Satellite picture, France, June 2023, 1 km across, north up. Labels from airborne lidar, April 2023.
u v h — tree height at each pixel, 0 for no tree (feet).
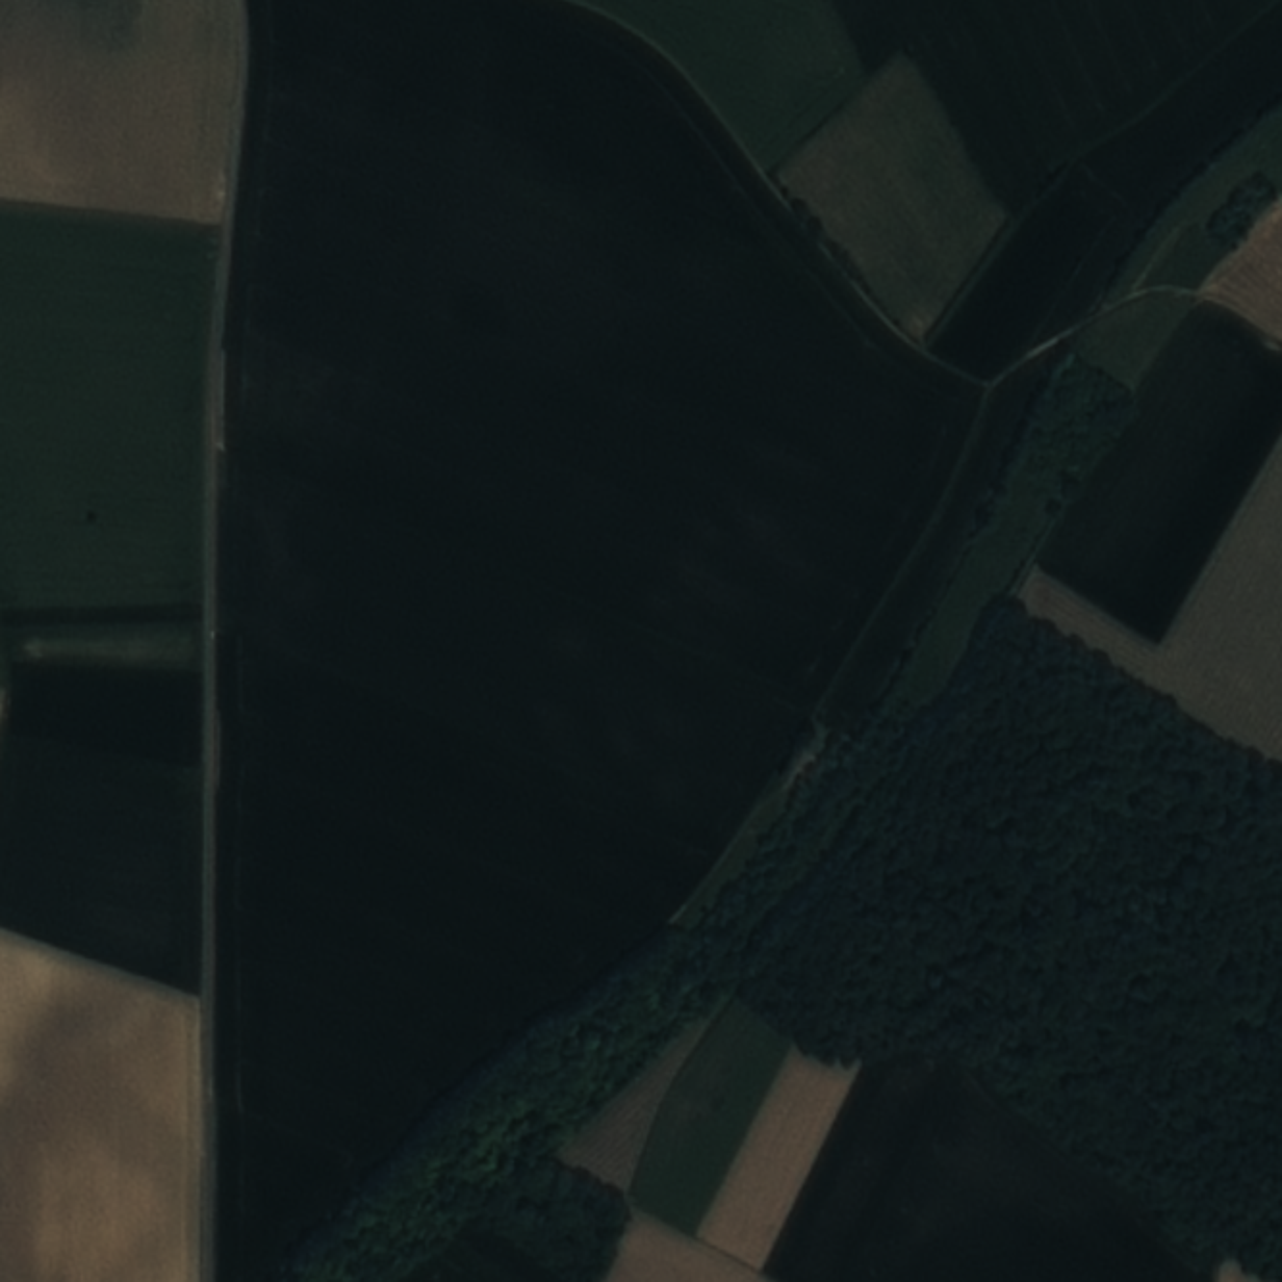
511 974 0
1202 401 0
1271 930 61
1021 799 74
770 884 32
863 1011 71
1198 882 71
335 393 0
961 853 88
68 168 0
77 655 0
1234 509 0
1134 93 0
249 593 0
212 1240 0
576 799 0
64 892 0
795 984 74
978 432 0
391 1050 0
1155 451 0
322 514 0
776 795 0
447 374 0
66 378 0
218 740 0
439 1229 32
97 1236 0
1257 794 76
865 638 0
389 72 0
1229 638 0
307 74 0
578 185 0
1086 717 79
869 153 0
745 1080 0
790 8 0
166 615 0
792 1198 0
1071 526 0
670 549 0
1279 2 0
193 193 0
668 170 0
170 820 0
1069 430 49
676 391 0
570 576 0
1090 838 74
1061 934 80
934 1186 0
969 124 0
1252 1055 67
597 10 0
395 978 0
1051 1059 69
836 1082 0
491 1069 54
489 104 0
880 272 0
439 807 0
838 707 0
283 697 0
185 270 0
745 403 0
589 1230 62
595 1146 0
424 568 0
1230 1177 90
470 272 0
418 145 0
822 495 0
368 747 0
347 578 0
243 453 0
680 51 0
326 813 0
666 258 0
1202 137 0
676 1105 0
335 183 0
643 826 0
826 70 0
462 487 0
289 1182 0
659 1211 0
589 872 0
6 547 0
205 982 0
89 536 0
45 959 0
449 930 0
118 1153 0
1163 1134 72
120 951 0
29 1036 0
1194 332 0
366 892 0
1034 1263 0
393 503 0
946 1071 0
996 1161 0
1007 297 0
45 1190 0
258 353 0
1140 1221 0
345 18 0
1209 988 72
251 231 0
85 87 0
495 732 0
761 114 0
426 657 0
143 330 0
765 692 0
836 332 0
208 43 0
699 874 0
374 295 0
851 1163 0
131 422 0
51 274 0
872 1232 0
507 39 0
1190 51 0
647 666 0
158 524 0
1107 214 0
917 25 0
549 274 0
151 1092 0
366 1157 0
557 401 0
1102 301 0
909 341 0
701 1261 0
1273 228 0
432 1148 70
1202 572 0
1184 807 86
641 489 0
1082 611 0
